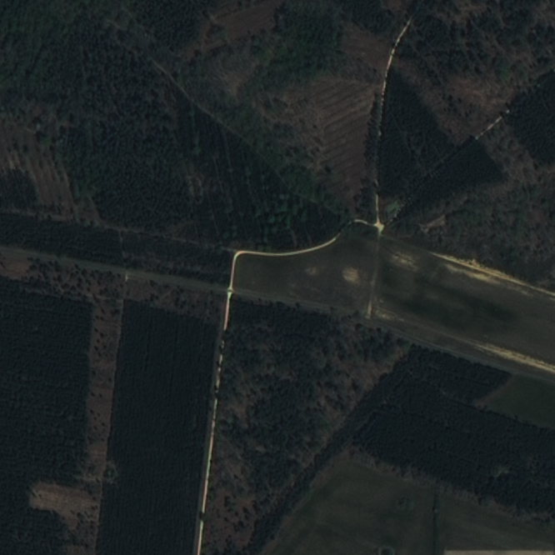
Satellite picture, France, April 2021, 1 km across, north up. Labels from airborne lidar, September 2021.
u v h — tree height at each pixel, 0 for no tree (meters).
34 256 0
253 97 15
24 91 15
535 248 6
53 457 13
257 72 17
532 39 15
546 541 0
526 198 17
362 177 0
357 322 10
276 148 21
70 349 15
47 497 0
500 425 12
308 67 11
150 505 9
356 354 14
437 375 14
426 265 0
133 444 9
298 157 20
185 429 12
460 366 13
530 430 13
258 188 10
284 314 11
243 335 19
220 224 9
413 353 12
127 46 24
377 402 12
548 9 7
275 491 25
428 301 0
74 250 7
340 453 13
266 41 19
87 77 14
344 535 0
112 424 8
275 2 0
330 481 0
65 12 20
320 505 0
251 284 0
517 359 0
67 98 9
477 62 21
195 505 7
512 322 0
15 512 12
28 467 13
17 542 11
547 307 0
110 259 10
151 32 21
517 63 10
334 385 16
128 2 21
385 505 0
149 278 0
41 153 13
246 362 22
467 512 0
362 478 0
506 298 0
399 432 18
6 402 12
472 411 13
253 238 8
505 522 0
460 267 0
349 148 0
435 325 0
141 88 22
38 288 12
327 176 7
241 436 23
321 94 0
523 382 0
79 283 10
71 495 0
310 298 0
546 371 0
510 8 22
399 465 16
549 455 13
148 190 20
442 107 6
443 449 17
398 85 15
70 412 14
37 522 13
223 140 10
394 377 14
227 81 12
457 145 8
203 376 11
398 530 0
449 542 0
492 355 0
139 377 11
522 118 23
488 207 14
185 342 9
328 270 0
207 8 21
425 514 0
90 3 16
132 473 8
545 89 16
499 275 0
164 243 9
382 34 22
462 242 10
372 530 0
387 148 17
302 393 23
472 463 13
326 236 8
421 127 15
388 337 10
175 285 0
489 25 24
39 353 13
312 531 0
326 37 20
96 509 7
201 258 8
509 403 0
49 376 15
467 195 13
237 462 19
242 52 15
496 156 14
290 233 7
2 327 15
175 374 11
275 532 8
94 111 21
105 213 20
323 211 7
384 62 0
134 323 10
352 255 0
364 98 0
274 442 24
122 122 13
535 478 14
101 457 0
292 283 0
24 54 6
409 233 16
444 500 0
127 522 10
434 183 15
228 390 23
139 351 12
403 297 0
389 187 17
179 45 22
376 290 0
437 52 22
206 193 9
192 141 15
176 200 21
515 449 13
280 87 13
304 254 0
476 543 0
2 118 18
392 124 16
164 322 10
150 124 25
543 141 20
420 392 13
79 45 18
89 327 15
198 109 8
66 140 15
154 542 9
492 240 10
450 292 0
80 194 18
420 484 17
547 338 0
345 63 14
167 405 10
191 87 18
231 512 11
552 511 15
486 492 15
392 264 0
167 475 10
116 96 10
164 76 10
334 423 11
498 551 0
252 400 15
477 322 0
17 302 15
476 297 0
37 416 11
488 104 0
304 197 12
